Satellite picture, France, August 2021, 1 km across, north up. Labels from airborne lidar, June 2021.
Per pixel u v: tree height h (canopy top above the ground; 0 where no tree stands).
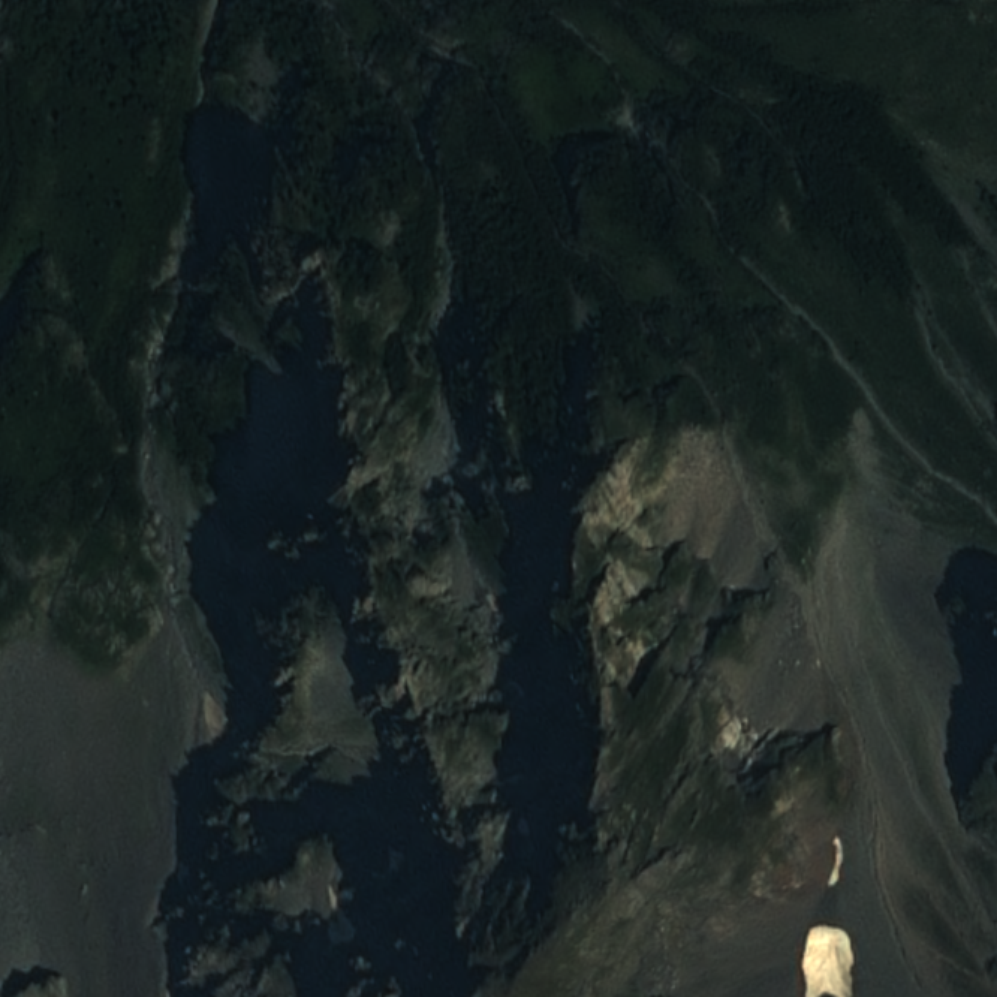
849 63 0
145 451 0
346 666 0
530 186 5
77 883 0
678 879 0
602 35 0
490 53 0
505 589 0
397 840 0
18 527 0
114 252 0
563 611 0
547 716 0
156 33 9
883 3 0
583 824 0
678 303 0
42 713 0
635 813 0
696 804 0
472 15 0
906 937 0
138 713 0
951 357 0
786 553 0
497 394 6
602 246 0
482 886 0
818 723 0
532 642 0
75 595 0
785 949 0
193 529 0
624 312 6
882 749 0
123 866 0
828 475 0
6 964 0
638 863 0
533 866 0
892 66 0
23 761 0
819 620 0
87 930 0
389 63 0
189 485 0
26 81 0
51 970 0
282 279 7
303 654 0
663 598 0
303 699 0
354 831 0
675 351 6
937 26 0
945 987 0
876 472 0
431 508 0
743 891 0
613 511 0
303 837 0
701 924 0
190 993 0
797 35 0
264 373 0
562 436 6
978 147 0
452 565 0
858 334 0
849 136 6
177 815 0
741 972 0
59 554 0
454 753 0
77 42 5
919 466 0
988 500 0
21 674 0
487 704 0
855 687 0
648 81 0
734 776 0
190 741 0
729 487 0
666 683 0
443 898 0
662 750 0
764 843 0
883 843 0
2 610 0
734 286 0
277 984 0
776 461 0
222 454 0
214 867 0
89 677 0
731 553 0
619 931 0
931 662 0
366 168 7
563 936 0
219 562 0
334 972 0
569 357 5
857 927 0
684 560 0
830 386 0
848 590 0
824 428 0
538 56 0
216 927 0
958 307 0
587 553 0
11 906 0
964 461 0
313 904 0
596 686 0
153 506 0
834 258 0
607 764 0
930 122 0
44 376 0
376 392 0
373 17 0
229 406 0
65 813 0
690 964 0
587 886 0
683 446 0
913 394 0
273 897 0
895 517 0
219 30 10
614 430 0
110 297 0
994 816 0
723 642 0
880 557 0
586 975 0
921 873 0
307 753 0
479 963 0
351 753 0
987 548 0
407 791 0
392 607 0
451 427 0
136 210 0
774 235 0
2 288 0
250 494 0
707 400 0
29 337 8
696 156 0
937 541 0
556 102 0
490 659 0
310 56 7
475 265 6
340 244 19
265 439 0
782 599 0
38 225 0
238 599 0
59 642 0
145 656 0
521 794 0
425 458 0
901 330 0
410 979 0
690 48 0
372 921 0
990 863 0
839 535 0
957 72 0
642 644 0
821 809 0
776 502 0
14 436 0
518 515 0
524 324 6
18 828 0
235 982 0
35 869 0
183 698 0
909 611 0
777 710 0
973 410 0
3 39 0
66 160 0
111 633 0
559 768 0
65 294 0
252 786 0
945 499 0
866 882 0
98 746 0
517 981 0
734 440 0
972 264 0
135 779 0
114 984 0
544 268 6
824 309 0
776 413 0
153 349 0
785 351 0
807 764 0
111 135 0
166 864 0
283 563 8
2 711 0
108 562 0
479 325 7
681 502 0
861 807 0
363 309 0
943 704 0
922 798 0
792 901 0
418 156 7
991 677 0
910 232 0
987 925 0
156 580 0
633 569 0
